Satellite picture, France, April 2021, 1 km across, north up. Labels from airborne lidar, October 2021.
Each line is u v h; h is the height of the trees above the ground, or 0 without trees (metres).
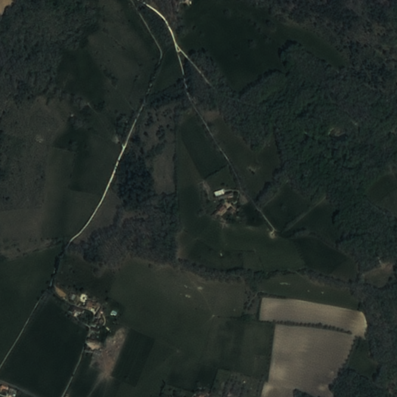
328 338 0
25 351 0
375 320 20
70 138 0
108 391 0
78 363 0
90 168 0
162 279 0
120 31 0
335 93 22
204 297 0
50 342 0
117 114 11
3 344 0
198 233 0
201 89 21
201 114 20
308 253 0
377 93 9
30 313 0
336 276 0
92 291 0
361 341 7
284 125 29
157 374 0
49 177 0
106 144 0
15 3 21
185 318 0
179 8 16
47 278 0
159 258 18
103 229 0
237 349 0
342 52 9
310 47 0
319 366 0
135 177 16
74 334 0
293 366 0
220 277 17
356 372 10
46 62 22
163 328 0
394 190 0
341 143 25
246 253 0
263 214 11
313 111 16
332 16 21
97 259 21
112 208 0
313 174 24
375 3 21
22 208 0
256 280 14
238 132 24
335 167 19
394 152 14
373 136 28
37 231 0
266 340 0
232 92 11
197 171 0
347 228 18
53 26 16
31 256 0
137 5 16
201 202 7
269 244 0
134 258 18
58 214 0
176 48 0
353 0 14
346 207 24
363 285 14
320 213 0
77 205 0
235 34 0
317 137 25
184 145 0
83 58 0
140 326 0
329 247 6
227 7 0
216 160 0
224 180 0
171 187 0
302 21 20
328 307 0
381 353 21
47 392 0
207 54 21
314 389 0
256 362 0
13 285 0
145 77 0
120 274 0
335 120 28
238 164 0
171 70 0
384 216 20
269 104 14
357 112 21
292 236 10
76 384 0
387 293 20
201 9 0
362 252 24
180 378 0
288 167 25
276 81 22
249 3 22
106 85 0
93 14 20
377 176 18
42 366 0
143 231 19
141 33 0
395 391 22
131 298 0
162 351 0
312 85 15
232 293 0
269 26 18
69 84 0
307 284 0
